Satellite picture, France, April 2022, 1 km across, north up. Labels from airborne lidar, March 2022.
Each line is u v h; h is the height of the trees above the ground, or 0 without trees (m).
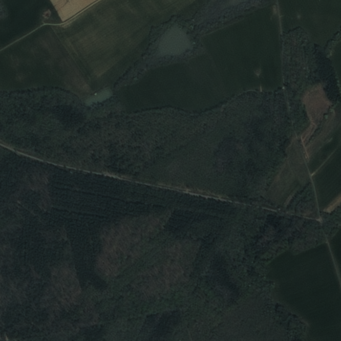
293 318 18
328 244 0
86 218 21
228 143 23
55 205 20
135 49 0
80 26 0
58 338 23
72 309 15
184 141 21
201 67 0
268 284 17
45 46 0
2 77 0
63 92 19
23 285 22
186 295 22
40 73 0
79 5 0
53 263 23
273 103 19
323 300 0
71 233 17
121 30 0
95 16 0
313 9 0
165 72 0
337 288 0
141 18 0
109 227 22
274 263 0
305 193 15
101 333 19
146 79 0
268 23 0
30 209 14
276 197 0
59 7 0
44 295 23
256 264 17
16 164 18
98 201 19
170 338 18
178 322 21
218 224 16
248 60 0
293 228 24
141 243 25
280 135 23
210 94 0
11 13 0
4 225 21
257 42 0
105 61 0
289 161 0
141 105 0
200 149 22
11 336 19
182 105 0
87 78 0
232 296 20
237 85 0
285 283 0
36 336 21
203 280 24
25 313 22
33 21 0
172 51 0
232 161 23
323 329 0
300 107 19
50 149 14
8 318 17
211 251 21
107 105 18
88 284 11
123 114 14
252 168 19
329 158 0
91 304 20
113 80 0
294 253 13
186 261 21
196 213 18
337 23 0
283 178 0
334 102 17
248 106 20
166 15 0
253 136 18
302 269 0
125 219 21
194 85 0
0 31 0
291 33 13
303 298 0
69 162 21
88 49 0
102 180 22
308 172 0
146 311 18
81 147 20
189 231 18
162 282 24
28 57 0
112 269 19
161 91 0
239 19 11
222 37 0
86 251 21
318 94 0
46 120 25
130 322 23
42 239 23
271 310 16
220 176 19
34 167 20
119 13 0
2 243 18
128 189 15
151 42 10
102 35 0
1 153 18
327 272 0
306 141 0
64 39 0
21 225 15
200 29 17
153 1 0
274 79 0
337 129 0
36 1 0
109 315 17
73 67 0
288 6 0
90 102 0
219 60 0
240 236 19
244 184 18
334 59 0
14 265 15
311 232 24
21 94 22
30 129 24
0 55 0
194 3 0
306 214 22
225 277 20
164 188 0
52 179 19
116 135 20
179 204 17
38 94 21
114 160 17
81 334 16
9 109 22
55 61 0
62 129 22
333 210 0
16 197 19
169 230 14
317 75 24
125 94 0
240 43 0
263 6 9
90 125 23
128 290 19
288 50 12
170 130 16
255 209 20
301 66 17
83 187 24
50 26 0
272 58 0
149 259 0
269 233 24
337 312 0
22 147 23
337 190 0
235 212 16
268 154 20
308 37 16
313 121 0
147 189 14
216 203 19
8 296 20
